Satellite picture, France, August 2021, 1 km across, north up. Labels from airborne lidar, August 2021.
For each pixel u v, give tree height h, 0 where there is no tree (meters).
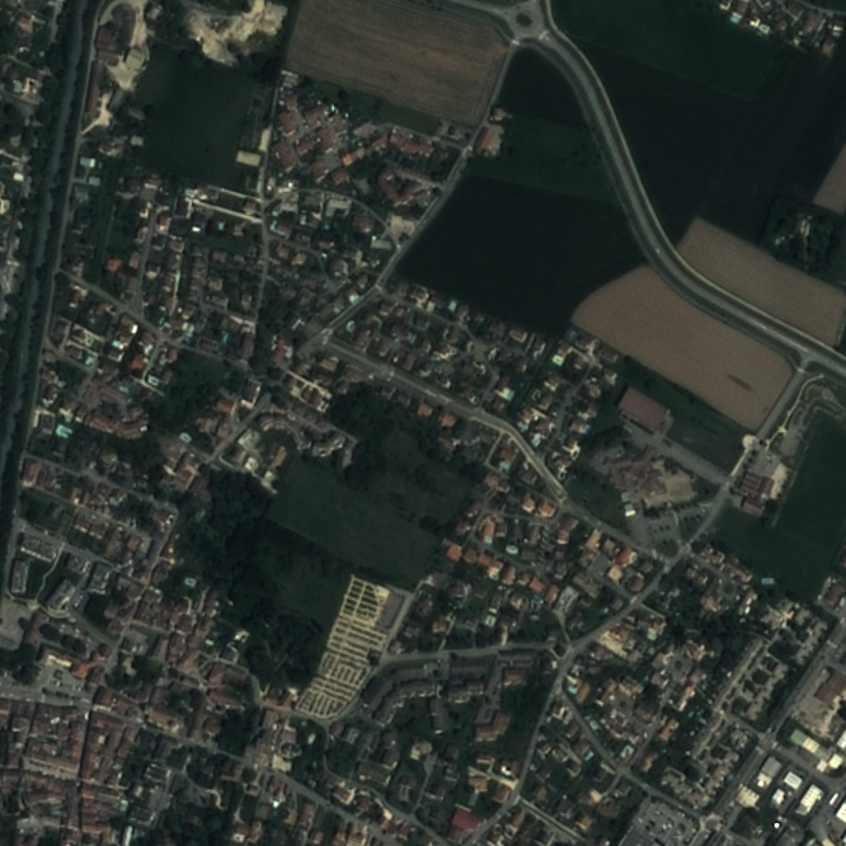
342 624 0
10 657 14
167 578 7
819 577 0
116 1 0
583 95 0
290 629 21
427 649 7
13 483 10
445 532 9
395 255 0
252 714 9
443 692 7
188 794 8
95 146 7
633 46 0
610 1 0
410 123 0
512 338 7
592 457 0
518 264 0
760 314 0
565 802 0
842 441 0
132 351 6
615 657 0
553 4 0
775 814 0
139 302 0
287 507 0
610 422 0
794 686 8
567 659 0
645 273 0
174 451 0
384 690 0
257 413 0
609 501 0
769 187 0
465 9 0
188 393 6
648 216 0
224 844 18
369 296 0
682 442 0
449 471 0
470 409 0
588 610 9
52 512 0
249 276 14
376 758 9
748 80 0
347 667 0
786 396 0
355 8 0
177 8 6
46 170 10
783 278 0
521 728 7
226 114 0
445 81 0
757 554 0
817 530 0
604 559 0
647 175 0
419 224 0
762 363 0
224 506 19
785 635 11
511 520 6
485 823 0
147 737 7
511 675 0
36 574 0
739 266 0
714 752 7
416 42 0
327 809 0
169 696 8
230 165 0
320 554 11
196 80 0
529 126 0
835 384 0
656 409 0
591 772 5
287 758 8
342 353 0
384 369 0
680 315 0
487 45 0
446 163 7
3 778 0
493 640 6
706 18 0
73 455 17
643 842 0
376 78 0
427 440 7
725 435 0
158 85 0
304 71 0
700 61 0
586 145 6
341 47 0
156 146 0
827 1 5
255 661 24
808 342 0
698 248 0
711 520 0
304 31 0
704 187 0
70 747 0
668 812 0
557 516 0
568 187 0
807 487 0
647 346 0
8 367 7
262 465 0
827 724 0
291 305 8
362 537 0
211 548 21
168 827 11
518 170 0
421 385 0
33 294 0
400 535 0
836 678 0
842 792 0
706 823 0
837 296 0
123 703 0
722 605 0
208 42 0
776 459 0
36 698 0
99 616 9
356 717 0
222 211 0
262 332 9
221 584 15
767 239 8
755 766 0
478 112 0
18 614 0
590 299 0
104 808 0
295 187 0
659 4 0
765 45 0
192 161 0
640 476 0
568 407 6
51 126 15
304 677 7
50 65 13
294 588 0
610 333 0
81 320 6
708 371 0
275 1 0
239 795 14
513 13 0
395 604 0
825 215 10
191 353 11
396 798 8
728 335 0
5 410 10
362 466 5
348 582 0
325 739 11
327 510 0
